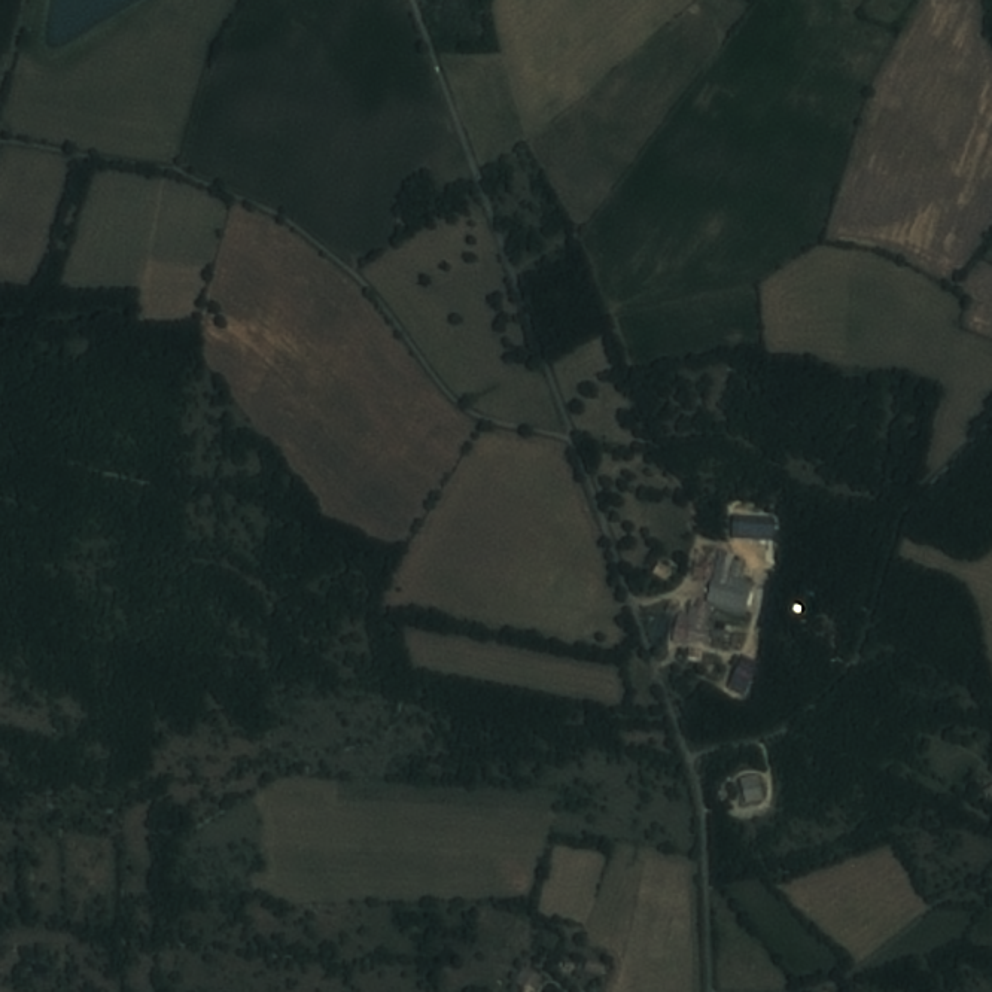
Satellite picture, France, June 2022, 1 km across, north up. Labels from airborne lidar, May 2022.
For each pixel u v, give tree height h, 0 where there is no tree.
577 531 0
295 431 0
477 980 0
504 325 10
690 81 0
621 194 0
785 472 8
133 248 0
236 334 0
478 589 0
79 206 9
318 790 0
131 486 9
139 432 10
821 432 11
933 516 13
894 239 0
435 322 0
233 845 8
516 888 0
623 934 0
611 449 8
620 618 11
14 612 9
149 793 7
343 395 0
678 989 0
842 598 9
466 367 0
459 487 0
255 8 0
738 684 0
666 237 0
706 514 12
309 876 0
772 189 0
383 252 6
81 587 6
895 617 11
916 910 0
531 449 0
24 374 9
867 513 11
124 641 9
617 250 0
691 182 0
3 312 16
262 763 6
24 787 7
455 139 0
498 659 0
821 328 0
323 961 7
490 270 0
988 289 0
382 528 0
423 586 0
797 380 12
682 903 0
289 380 0
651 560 9
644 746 7
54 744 8
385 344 0
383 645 9
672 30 0
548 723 12
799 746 8
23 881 11
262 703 9
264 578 7
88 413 11
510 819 0
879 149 0
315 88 0
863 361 0
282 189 0
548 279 6
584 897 0
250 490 9
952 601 12
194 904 9
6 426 11
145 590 7
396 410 0
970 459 10
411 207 13
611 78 0
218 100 0
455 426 0
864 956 0
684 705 14
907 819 9
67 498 11
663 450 11
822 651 8
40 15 0
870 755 9
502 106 0
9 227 0
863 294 0
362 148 0
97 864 0
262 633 9
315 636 9
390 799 0
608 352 12
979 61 0
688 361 11
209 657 8
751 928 13
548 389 0
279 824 0
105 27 0
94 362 12
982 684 12
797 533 11
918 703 7
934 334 0
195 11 0
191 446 10
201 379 8
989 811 11
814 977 11
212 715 8
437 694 12
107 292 10
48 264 10
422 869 0
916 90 0
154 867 8
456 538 0
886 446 8
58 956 6
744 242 0
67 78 0
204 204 0
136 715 9
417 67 0
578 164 0
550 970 7
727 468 8
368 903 10
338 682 7
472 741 11
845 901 0
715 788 8
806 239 0
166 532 10
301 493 9
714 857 8
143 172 9
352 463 0
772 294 0
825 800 10
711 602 0
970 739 9
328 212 0
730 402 9
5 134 12
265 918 0
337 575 5
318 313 0
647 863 0
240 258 0
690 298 0
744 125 0
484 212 0
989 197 0
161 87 0
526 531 0
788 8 0
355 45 0
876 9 0
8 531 11
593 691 0
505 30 0
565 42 0
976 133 0
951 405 0
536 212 8
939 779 7
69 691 9
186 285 0
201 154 0
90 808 9
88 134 0
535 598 0
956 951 8
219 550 9
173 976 8
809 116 0
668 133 0
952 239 0
